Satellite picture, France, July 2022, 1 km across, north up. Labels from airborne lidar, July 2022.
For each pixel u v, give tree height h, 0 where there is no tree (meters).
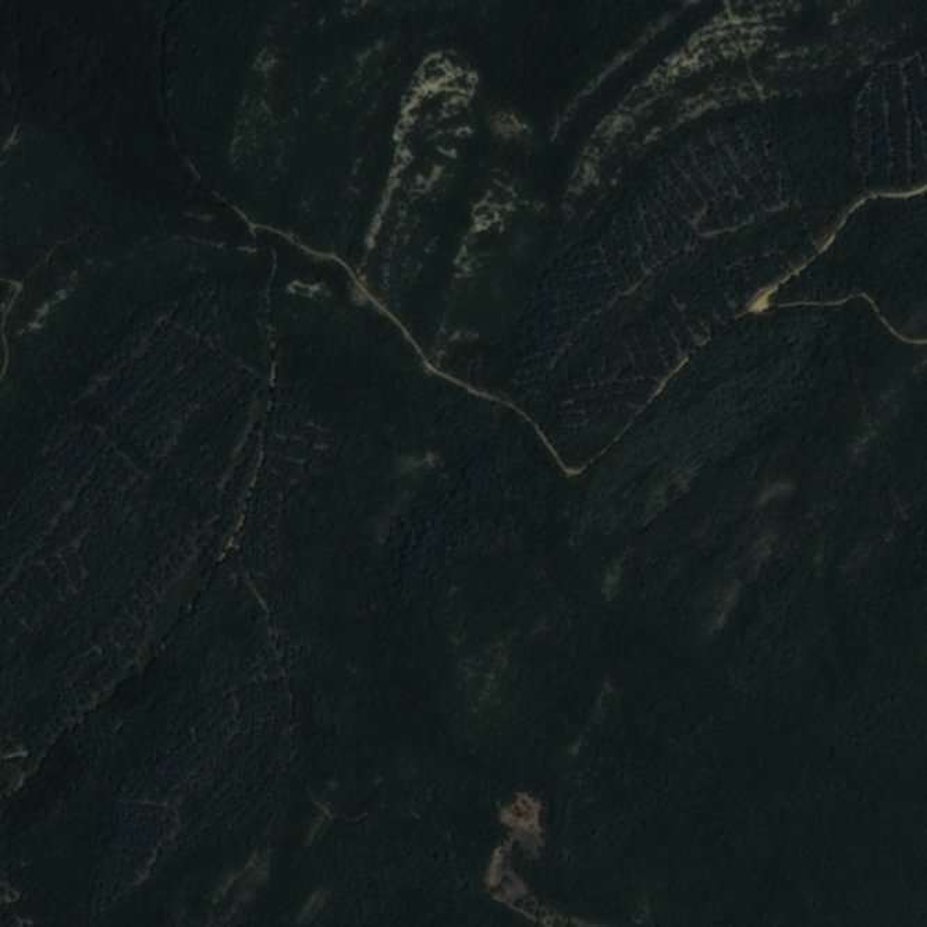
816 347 7
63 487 14
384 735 13
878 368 9
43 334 6
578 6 14
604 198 6
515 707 6
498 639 7
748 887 6
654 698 7
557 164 8
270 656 13
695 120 7
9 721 12
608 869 8
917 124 18
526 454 13
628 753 10
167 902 11
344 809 6
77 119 19
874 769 8
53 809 15
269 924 9
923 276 12
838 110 9
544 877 11
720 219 14
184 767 14
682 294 8
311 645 11
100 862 13
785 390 8
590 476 8
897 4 6
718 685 11
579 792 8
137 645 15
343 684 10
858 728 7
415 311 7
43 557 12
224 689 10
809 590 10
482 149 6
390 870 7
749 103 6
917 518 13
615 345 12
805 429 6
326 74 5
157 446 11
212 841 10
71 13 19
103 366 14
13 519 14
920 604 7
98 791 11
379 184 6
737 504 13
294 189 9
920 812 7
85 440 15
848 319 13
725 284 15
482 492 14
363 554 12
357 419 10
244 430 13
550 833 11
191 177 13
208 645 8
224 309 11
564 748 6
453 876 13
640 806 9
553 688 8
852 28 6
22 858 12
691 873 11
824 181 13
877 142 16
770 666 11
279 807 10
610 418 10
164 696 14
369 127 5
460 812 7
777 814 7
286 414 17
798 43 6
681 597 6
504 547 9
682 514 13
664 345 15
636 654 13
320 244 7
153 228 10
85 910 8
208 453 15
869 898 6
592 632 7
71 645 14
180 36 13
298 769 9
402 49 8
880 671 6
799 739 8
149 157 21
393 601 10
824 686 8
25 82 20
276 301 8
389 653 15
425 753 11
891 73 15
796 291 18
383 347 8
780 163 15
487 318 6
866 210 12
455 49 7
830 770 11
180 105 12
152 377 16
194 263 7
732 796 7
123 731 14
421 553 20
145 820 15
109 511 14
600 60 6
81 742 15
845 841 6
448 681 9
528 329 11
